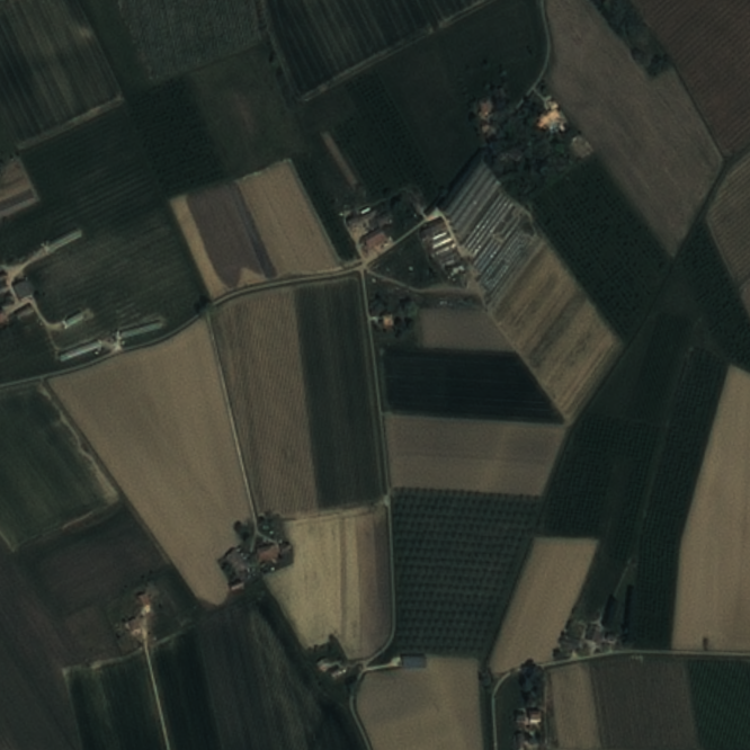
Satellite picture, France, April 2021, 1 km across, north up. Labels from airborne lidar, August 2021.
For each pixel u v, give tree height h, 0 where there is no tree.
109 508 0
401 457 0
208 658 0
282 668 0
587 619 0
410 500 11
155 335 0
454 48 0
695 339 0
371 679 0
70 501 0
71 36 0
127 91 0
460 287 0
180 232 0
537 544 0
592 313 0
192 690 0
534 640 0
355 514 0
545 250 0
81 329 6
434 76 0
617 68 0
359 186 9
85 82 0
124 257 7
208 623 0
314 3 0
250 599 0
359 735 0
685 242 0
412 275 0
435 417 0
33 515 0
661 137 0
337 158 0
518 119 13
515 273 0
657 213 0
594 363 0
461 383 0
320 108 0
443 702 0
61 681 0
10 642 0
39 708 0
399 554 8
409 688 0
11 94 0
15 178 0
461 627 12
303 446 0
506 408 0
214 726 0
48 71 0
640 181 0
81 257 10
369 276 0
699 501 0
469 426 0
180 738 0
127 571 0
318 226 0
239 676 0
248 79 0
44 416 0
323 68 0
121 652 0
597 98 0
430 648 9
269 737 0
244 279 0
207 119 0
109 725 0
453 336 0
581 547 0
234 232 0
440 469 0
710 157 0
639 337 0
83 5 0
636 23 18
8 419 0
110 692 0
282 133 0
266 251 0
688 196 0
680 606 0
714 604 0
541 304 0
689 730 0
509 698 0
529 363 0
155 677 0
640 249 0
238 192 0
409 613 9
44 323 0
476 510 9
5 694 0
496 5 0
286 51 0
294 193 0
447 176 0
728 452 0
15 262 0
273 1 0
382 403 0
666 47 0
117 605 0
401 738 0
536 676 23
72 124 0
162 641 0
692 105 0
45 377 0
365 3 0
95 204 5
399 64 0
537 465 0
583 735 0
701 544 0
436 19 0
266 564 6
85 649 0
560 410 0
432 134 0
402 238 0
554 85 0
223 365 0
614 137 0
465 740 0
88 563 0
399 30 0
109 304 7
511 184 8
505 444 0
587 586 0
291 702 0
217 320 0
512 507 9
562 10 0
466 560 9
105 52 0
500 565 11
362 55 0
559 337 0
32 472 0
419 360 0
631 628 16
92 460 0
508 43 0
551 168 12
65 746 0
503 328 0
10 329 9
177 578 0
